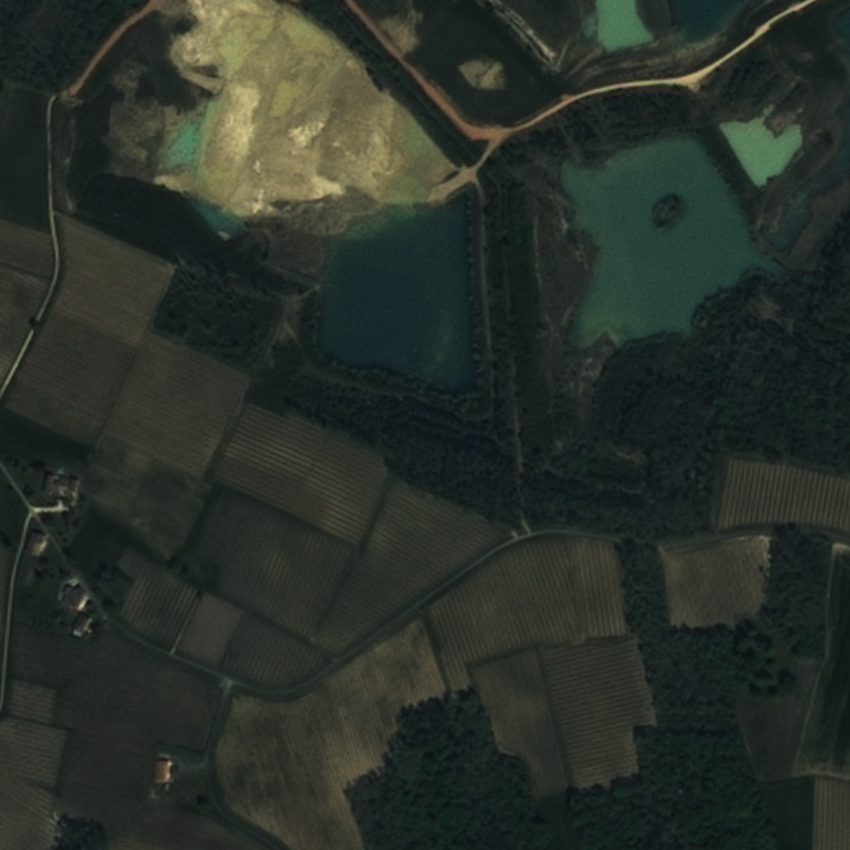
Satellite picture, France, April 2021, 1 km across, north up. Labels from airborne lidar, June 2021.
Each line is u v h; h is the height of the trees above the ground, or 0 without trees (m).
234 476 0
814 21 0
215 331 15
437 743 18
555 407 6
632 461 0
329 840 0
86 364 0
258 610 0
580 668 0
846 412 23
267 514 0
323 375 0
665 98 6
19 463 7
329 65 0
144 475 0
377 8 0
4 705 0
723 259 0
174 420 0
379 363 0
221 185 0
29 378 0
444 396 18
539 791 0
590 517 10
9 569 0
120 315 0
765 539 0
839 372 23
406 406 6
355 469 0
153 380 0
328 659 0
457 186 0
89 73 0
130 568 0
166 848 0
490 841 22
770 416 22
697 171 0
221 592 0
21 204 0
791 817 0
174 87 0
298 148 0
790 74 0
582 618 0
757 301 9
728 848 25
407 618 0
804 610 15
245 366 6
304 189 0
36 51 12
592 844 25
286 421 0
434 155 0
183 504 0
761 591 0
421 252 0
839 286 8
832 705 0
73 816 0
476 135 0
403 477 17
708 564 0
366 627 0
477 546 0
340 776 0
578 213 0
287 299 0
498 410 14
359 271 0
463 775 22
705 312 9
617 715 0
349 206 0
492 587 0
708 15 0
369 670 0
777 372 24
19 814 0
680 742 16
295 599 0
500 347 8
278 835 0
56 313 0
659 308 0
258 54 0
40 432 0
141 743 0
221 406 0
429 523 0
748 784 20
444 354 0
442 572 0
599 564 0
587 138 6
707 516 10
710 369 7
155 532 0
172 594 0
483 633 0
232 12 0
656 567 14
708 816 24
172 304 8
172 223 0
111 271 0
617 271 0
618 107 7
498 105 0
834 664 0
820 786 0
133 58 0
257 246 0
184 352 0
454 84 0
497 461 17
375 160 0
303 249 0
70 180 0
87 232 0
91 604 6
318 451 0
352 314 0
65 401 0
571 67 0
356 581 0
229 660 0
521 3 0
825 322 7
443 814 24
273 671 0
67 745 0
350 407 12
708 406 13
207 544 0
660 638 9
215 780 0
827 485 0
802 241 0
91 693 0
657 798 14
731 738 19
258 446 0
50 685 0
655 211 9
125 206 0
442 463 22
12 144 0
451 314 0
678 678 10
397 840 19
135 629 0
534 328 7
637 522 17
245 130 0
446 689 0
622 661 0
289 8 0
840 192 0
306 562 0
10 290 0
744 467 0
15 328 0
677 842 18
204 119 0
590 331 0
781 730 0
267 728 0
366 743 0
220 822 0
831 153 0
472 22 0
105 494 0
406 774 24
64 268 0
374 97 0
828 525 0
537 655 0
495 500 20
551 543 0
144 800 0
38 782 0
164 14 0
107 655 0
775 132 0
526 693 0
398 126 0
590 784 0
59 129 0
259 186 0
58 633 0
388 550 0
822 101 0
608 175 0
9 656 0
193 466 0
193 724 0
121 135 0
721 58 0
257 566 0
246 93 0
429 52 0
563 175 0
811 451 23
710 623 0
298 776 0
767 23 0
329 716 0
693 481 20
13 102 0
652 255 0
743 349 17
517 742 0
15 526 0
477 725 15
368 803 14
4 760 0
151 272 0
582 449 11
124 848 0
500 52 0
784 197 0
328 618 0
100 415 0
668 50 0
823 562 14
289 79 0
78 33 12
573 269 0
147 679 0
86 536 0
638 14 0
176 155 0
